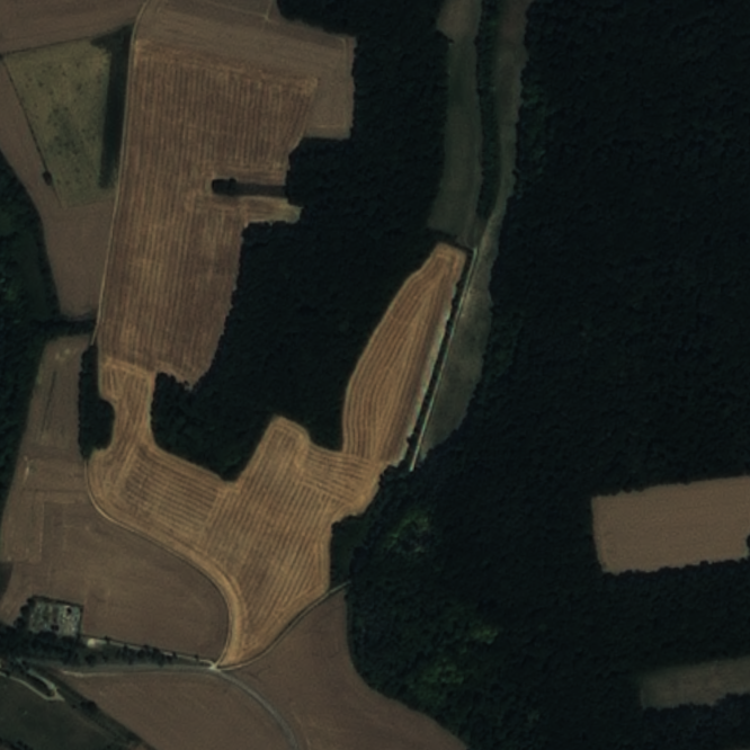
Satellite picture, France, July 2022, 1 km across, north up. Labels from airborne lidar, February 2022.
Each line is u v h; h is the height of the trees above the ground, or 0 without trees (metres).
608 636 17
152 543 0
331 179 25
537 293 23
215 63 0
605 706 18
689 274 26
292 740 0
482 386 9
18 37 0
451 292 0
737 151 25
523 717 18
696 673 0
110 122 0
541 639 26
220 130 0
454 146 0
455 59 0
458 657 23
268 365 24
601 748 23
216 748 0
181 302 0
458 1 0
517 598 24
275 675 0
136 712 0
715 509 0
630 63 26
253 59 0
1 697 0
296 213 0
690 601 22
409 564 23
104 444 15
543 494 20
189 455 14
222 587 0
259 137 0
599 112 23
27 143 0
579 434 25
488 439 24
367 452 0
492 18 14
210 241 0
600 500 0
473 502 24
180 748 0
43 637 8
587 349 18
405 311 0
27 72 0
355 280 27
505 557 25
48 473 0
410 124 19
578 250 25
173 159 0
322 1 24
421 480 16
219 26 0
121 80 0
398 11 29
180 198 0
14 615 0
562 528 25
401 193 27
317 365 26
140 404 0
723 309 28
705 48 27
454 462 22
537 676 27
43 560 0
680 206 26
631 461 23
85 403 12
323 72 0
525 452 22
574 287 25
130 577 0
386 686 19
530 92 17
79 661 12
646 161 23
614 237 26
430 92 18
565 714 21
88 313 0
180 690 0
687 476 21
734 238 26
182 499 0
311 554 0
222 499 0
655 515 0
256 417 18
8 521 0
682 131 23
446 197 0
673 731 22
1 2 0
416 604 16
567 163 25
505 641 27
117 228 0
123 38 0
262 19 0
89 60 0
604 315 19
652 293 20
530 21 16
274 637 0
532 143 20
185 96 0
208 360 0
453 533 24
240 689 0
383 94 18
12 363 18
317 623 0
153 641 0
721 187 24
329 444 8
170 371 0
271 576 0
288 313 24
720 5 26
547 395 21
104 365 0
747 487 0
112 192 0
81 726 0
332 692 0
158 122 0
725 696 0
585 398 24
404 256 13
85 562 0
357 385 0
